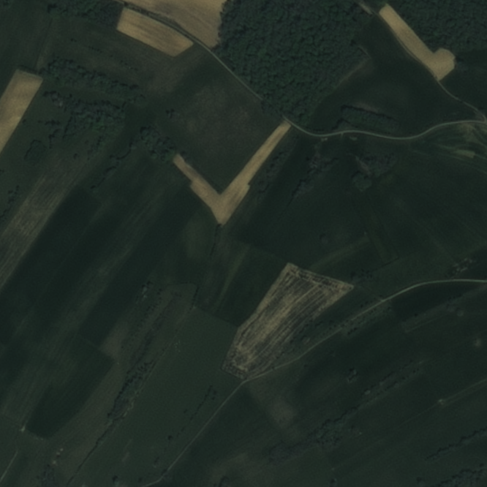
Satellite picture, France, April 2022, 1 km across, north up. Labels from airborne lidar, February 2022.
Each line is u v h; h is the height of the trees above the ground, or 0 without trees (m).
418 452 0
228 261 0
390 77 0
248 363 0
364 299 0
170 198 0
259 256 0
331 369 0
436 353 0
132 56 0
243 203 0
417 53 0
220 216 0
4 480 0
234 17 10
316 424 0
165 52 0
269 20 25
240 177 0
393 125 21
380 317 0
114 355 0
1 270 0
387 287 0
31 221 0
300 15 24
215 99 0
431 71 0
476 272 0
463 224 0
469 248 0
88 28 0
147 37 0
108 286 0
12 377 0
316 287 0
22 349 0
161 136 17
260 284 0
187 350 0
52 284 0
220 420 0
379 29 0
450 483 7
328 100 0
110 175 12
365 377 0
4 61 0
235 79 0
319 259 0
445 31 20
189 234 0
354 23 24
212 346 0
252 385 0
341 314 0
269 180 10
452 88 0
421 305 0
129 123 0
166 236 0
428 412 0
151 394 0
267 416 0
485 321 0
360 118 16
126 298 0
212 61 0
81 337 0
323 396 0
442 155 0
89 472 0
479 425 0
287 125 0
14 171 0
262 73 23
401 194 0
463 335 0
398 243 0
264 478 0
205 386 0
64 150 0
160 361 0
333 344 0
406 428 0
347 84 0
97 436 0
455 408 0
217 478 0
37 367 0
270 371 0
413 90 0
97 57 0
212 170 0
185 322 0
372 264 0
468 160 0
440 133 0
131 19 0
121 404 13
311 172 8
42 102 0
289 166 0
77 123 12
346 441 0
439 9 25
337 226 0
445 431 0
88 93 0
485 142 0
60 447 0
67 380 0
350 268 0
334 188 0
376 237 0
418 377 0
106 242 0
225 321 0
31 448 0
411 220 0
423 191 0
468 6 21
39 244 0
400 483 0
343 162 0
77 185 0
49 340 0
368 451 0
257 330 0
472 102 0
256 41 22
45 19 0
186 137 0
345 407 0
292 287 0
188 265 0
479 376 0
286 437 0
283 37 23
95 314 0
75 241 0
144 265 0
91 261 0
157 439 0
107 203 0
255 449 0
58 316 0
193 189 0
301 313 0
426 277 0
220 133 0
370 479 0
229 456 0
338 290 0
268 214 0
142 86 0
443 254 0
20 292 0
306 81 24
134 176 0
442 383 0
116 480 10
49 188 0
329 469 0
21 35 0
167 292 0
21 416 0
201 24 0
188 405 0
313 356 0
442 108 0
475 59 0
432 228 0
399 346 0
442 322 0
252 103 0
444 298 0
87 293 0
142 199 0
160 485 0
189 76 0
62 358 0
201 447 0
